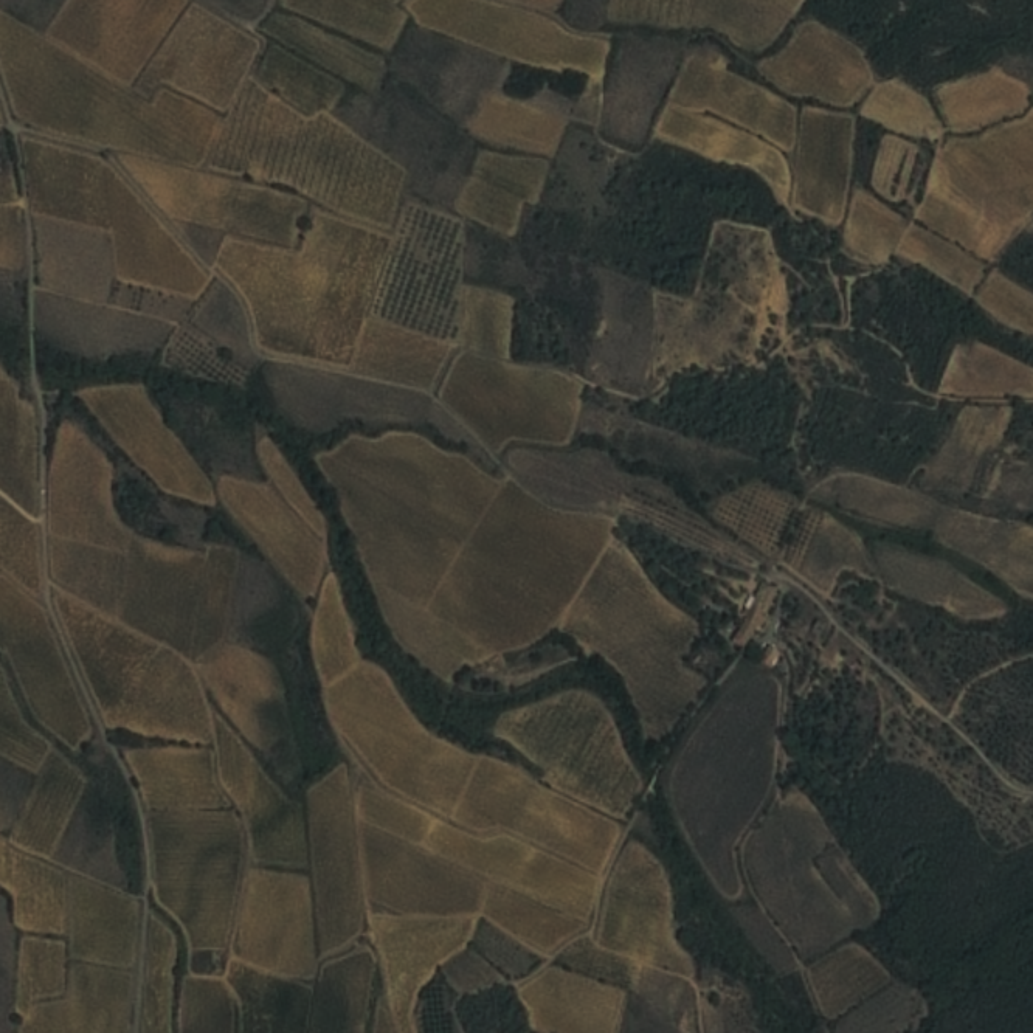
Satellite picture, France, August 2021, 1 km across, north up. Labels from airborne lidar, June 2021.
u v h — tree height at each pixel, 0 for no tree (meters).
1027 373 0
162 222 0
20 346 8
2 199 0
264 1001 0
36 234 0
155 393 10
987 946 9
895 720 6
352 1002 0
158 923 0
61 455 0
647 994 0
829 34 0
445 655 0
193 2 0
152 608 0
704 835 0
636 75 0
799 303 10
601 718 0
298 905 0
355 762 0
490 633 0
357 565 10
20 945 0
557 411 0
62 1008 0
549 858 0
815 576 0
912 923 11
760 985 10
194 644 0
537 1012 0
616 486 0
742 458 0
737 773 0
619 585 0
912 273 9
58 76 0
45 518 0
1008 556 0
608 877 0
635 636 0
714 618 9
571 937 0
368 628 7
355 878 0
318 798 0
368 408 0
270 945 0
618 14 0
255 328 0
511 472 0
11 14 0
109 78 0
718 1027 0
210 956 0
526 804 0
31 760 0
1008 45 5
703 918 7
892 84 0
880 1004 0
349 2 0
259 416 12
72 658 0
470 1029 7
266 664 0
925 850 7
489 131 0
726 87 0
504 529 0
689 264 14
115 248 0
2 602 0
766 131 0
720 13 0
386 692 0
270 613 0
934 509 0
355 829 0
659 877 0
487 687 16
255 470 0
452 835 0
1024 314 0
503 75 0
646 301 0
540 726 0
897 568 0
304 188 0
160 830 0
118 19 0
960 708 0
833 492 0
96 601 0
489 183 0
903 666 8
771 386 9
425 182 0
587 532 0
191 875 0
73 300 0
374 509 0
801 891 0
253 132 0
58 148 0
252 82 0
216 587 0
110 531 0
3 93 0
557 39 0
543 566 0
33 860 0
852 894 0
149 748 0
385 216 0
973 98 0
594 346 0
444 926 0
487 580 0
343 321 0
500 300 0
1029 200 0
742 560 0
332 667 0
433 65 0
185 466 0
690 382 10
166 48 0
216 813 0
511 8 0
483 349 0
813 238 7
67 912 0
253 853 0
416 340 0
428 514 0
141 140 0
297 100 0
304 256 0
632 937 0
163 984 0
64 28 0
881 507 0
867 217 0
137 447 0
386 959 0
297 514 0
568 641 12
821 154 0
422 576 0
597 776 0
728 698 0
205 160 0
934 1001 11
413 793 0
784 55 0
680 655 0
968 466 0
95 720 0
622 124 0
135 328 0
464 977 0
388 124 0
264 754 0
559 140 0
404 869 0
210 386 12
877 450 7
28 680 0
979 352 0
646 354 0
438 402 0
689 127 0
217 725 0
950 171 0
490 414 0
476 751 7
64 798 0
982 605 0
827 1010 0
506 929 0
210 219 0
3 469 0
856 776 7
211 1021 0
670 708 0
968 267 0
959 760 9
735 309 0
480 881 0
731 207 9
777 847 0
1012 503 0
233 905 0
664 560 9
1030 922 6
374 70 0
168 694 0
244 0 0
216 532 10
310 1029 0
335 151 0
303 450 7
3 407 0
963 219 0
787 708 0
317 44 0
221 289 0
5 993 0
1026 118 0
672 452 0
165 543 8
